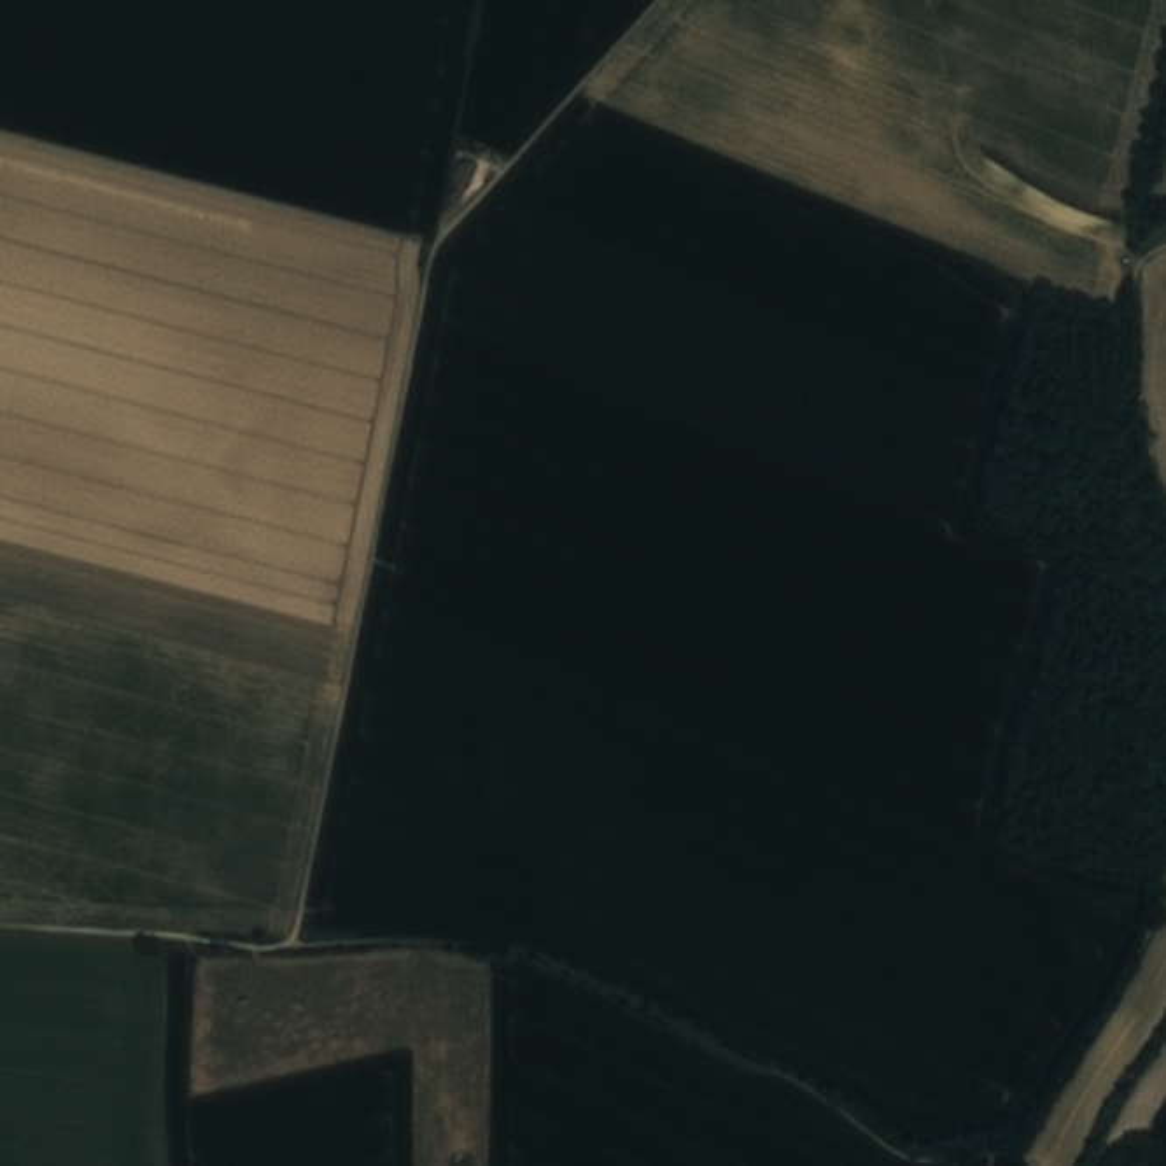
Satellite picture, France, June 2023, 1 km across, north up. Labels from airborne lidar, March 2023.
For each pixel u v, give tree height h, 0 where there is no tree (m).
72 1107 0
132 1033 0
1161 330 0
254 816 0
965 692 0
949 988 0
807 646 0
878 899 0
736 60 0
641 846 0
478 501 0
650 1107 0
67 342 0
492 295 0
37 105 0
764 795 0
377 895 0
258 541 0
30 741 0
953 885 0
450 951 8
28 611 0
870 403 0
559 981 0
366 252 0
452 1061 0
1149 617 29
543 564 0
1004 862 0
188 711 0
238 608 0
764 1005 0
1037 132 0
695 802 0
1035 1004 0
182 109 0
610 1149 0
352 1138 0
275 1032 0
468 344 0
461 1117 0
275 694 0
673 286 0
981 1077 0
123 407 0
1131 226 7
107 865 0
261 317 0
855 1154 0
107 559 0
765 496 0
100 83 0
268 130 0
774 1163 0
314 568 0
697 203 0
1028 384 18
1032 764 16
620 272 0
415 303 0
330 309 0
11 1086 0
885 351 0
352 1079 0
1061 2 0
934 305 0
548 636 0
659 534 0
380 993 0
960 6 0
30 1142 0
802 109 0
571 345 0
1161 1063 0
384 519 0
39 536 0
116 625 0
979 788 0
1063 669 17
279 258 0
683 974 0
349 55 0
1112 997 16
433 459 0
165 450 0
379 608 0
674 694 0
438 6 0
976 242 0
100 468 0
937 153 0
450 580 0
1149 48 0
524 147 0
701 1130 0
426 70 0
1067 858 17
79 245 0
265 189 0
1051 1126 0
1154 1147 8
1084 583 25
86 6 0
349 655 0
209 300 0
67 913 0
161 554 0
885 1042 0
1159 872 16
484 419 0
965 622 0
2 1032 0
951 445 0
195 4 0
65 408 0
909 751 0
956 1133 12
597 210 0
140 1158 0
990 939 0
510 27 0
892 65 0
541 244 0
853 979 0
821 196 0
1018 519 14
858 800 0
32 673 0
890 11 0
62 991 0
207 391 0
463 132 0
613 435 0
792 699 0
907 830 0
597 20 0
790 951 0
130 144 0
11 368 0
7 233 0
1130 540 21
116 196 0
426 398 0
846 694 0
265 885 0
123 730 0
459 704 0
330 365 0
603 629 0
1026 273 0
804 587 0
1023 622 0
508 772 0
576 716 0
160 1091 0
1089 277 0
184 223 0
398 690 0
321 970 0
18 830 0
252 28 0
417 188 0
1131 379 22
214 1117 0
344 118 0
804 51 0
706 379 0
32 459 0
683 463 0
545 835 0
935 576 0
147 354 0
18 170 0
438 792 0
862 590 0
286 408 0
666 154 0
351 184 0
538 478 0
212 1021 0
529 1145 0
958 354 0
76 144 0
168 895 0
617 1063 0
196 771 0
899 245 0
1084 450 26
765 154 0
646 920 0
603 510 0
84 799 0
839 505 0
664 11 0
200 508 0
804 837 0
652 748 0
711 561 0
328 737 0
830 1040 0
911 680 0
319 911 0
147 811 0
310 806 0
